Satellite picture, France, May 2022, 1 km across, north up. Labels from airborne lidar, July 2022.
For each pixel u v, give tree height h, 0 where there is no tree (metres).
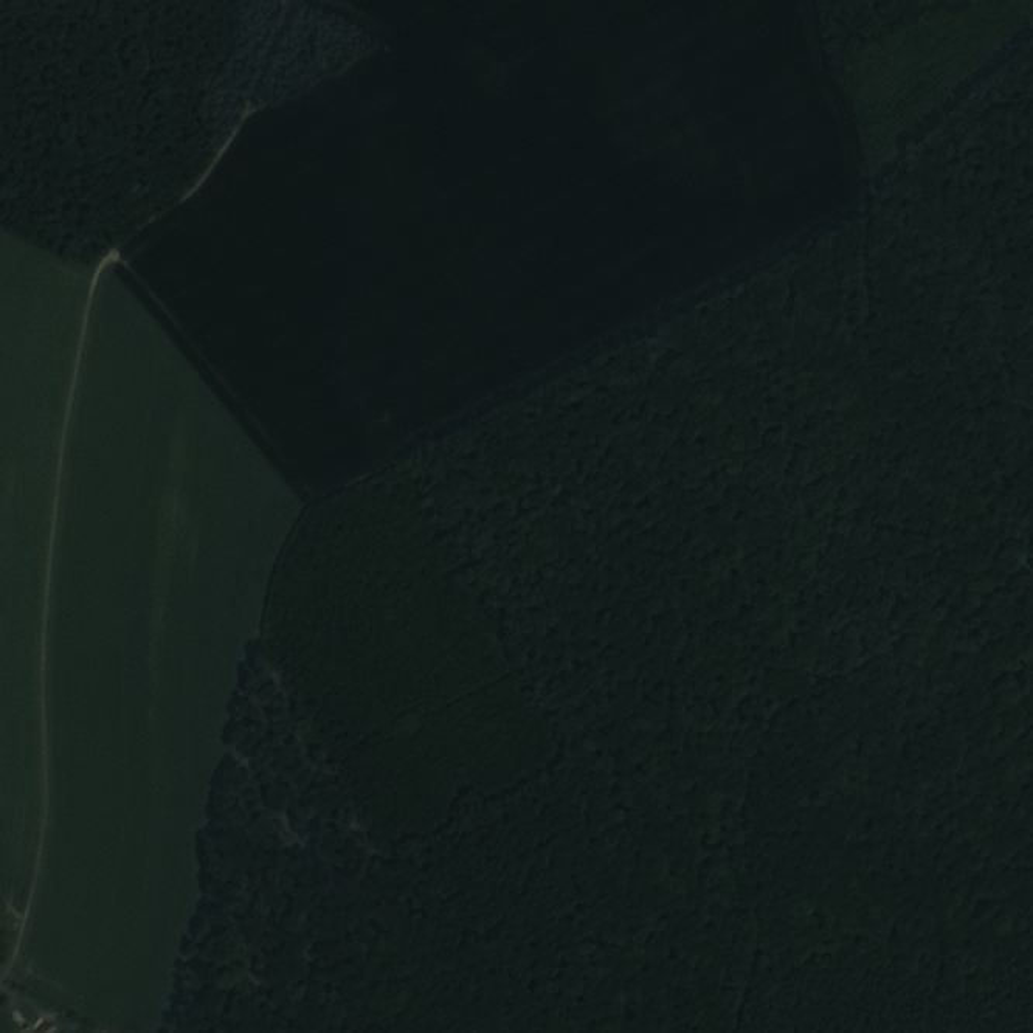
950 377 18
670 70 0
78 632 0
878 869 23
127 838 0
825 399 23
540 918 23
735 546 21
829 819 23
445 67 0
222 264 0
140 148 27
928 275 22
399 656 10
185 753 0
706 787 29
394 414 0
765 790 22
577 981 26
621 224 0
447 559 11
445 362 0
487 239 0
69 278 0
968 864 25
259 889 25
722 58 0
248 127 0
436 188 0
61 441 0
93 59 32
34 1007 0
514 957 24
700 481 21
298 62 31
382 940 32
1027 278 24
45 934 0
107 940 0
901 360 24
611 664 25
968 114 26
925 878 27
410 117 0
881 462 20
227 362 0
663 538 25
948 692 23
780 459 23
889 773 23
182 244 0
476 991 20
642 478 24
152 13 28
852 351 23
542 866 27
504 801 20
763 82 0
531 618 24
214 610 0
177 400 0
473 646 10
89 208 27
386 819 13
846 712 23
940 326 22
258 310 0
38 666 0
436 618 11
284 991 26
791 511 21
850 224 21
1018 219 29
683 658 26
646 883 22
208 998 28
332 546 12
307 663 11
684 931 28
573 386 23
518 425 26
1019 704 25
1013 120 23
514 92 0
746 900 23
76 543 0
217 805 24
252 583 0
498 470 24
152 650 0
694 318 26
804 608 27
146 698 0
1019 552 28
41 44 28
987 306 27
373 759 12
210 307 0
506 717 9
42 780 0
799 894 21
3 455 0
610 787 14
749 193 0
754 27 0
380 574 12
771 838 19
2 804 0
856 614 25
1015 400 20
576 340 0
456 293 0
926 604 23
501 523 22
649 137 0
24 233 22
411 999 25
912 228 25
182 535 0
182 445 0
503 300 0
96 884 0
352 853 29
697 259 0
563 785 26
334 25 29
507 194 0
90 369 0
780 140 0
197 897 0
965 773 24
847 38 22
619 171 0
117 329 0
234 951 28
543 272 0
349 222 0
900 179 24
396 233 0
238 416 0
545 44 0
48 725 0
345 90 0
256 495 0
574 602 26
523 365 0
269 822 27
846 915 23
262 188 0
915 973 20
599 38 0
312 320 0
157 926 0
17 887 0
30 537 0
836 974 17
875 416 20
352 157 0
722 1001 23
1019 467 29
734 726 22
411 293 0
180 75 29
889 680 24
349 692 11
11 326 0
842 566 23
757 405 21
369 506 9
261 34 31
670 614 30
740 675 23
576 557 23
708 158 0
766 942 23
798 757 22
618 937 29
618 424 26
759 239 0
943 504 26
